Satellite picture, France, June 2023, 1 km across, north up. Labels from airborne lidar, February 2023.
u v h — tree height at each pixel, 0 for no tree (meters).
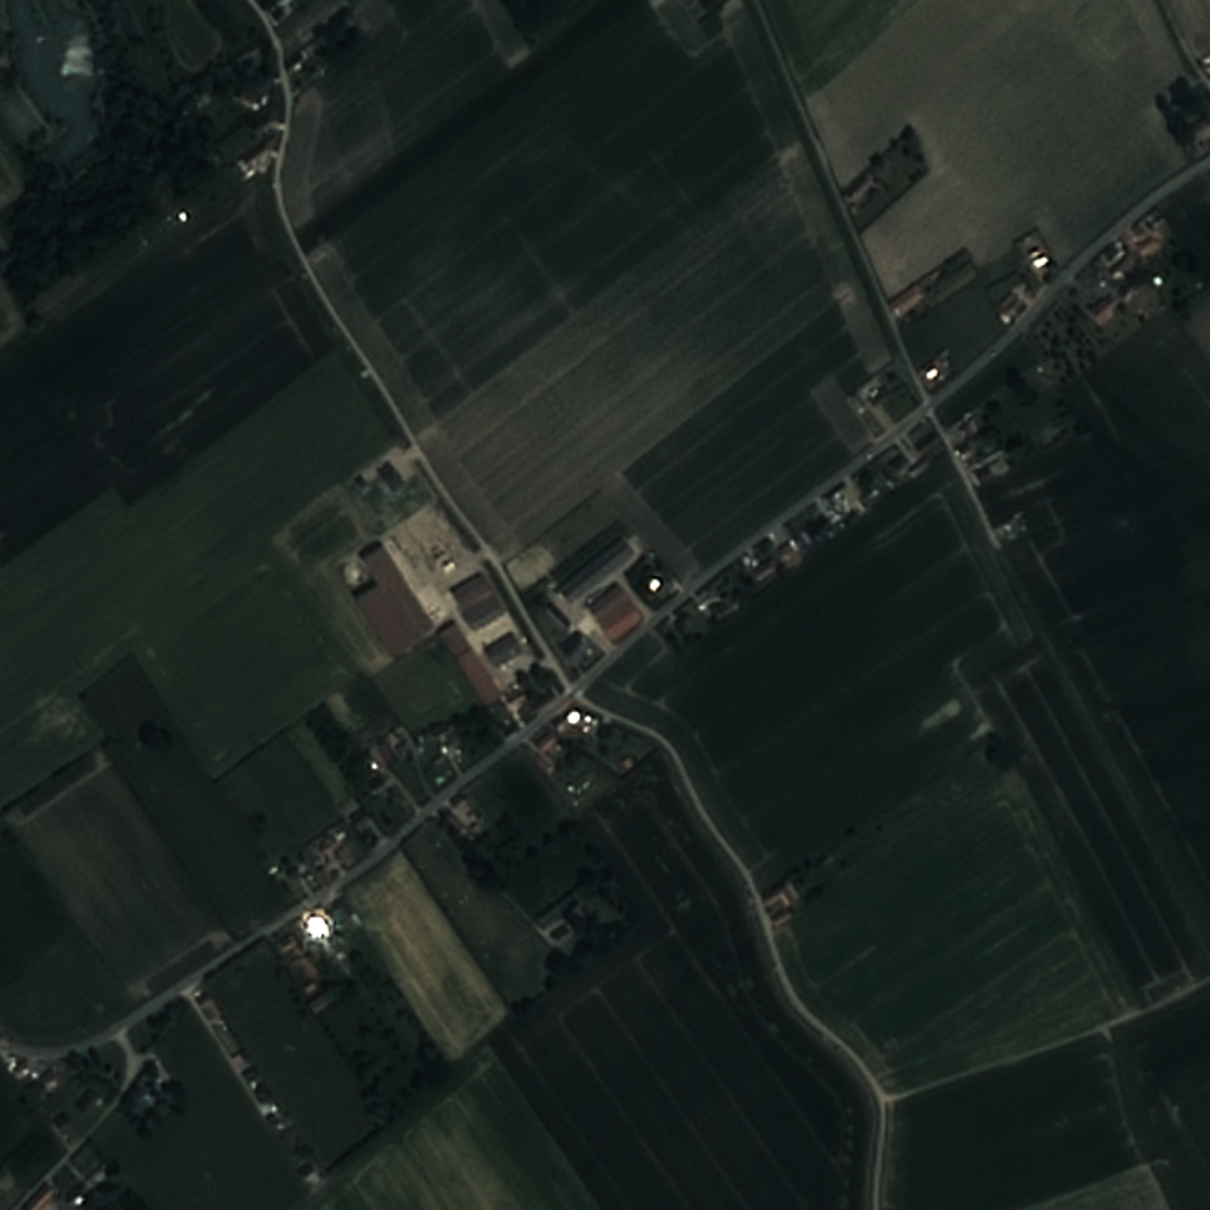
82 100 0
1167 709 0
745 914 0
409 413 0
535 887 0
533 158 0
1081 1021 0
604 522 0
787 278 0
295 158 0
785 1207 0
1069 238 0
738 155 0
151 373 0
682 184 0
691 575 0
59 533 0
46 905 0
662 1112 0
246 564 0
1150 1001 0
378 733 0
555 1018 0
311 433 0
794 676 0
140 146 7
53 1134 0
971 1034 0
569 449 0
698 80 0
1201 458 0
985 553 0
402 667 0
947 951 0
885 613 0
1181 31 0
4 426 0
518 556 0
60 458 0
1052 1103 0
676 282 0
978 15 0
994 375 0
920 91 0
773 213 0
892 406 0
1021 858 0
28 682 0
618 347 0
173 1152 0
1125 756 0
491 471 0
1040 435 0
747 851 0
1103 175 0
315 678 0
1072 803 0
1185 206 0
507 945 0
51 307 0
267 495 0
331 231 0
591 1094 0
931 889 0
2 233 0
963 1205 0
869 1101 0
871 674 0
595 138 0
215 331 0
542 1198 0
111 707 0
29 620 0
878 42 0
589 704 0
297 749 0
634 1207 0
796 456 0
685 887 0
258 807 0
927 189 0
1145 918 0
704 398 0
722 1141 0
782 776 0
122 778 0
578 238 0
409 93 0
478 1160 0
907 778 0
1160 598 0
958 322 0
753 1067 0
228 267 0
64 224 16
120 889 0
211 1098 0
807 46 0
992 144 0
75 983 0
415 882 0
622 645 0
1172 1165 0
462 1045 0
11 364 0
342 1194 0
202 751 0
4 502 0
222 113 0
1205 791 0
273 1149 0
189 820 0
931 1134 0
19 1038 0
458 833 9
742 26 0
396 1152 0
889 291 0
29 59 0
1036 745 0
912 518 0
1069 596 0
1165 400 0
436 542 0
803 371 0
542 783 0
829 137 0
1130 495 0
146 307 0
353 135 0
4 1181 0
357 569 0
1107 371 0
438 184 0
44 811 0
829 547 0
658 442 0
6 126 0
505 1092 0
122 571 0
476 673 0
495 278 0
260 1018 0
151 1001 0
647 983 0
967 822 0
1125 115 0
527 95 0
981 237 0
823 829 0
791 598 0
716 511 0
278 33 0
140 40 7
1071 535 0
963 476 0
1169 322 0
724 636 0
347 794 0
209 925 0
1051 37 0
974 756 0
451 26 0
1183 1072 0
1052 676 0
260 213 0
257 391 0
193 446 0
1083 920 0
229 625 0
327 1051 0
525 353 0
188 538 0
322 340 0
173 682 0
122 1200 6
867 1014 0
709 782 0
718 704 0
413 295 0
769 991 0
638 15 0
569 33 0
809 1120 0
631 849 0
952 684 0
